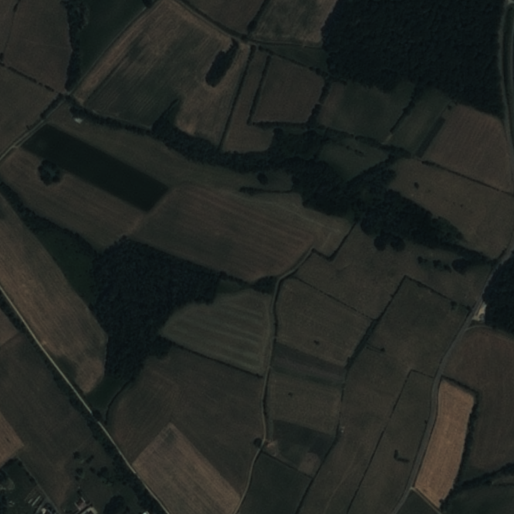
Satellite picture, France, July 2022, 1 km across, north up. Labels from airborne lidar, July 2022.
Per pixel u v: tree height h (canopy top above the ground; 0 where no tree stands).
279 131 17
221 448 0
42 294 0
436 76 24
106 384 0
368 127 0
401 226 20
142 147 0
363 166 0
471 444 13
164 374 0
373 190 18
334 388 0
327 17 0
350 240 0
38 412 0
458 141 0
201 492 0
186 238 0
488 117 0
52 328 0
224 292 0
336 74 21
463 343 0
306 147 6
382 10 25
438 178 0
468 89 24
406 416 0
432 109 0
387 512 0
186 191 0
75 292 0
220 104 0
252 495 0
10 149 0
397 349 0
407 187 0
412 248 0
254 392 0
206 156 17
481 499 0
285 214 0
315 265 0
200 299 19
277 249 0
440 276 0
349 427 0
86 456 0
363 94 0
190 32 0
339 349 0
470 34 25
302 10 0
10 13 0
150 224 0
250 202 0
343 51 27
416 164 0
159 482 0
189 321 0
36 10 0
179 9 0
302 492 0
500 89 19
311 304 0
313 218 0
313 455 0
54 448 0
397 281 0
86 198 0
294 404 0
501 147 0
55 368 6
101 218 0
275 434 0
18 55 0
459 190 0
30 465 0
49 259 0
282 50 0
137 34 0
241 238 0
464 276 0
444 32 27
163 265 25
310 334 0
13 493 0
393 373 0
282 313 0
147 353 12
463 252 18
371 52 24
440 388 0
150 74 0
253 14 0
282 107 0
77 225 0
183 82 0
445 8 26
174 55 0
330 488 0
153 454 0
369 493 0
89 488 0
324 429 0
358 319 0
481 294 0
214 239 0
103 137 0
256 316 0
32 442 0
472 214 0
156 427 0
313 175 14
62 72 0
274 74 0
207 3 0
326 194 20
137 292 33
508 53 6
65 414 0
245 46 0
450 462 0
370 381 0
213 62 0
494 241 0
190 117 0
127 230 0
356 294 0
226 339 0
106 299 17
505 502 0
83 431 0
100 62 0
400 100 0
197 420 0
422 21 29
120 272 28
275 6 0
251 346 0
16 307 0
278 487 0
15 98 0
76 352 0
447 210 0
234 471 0
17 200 13
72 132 0
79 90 0
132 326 19
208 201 0
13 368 0
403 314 0
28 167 0
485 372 0
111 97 0
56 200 0
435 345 0
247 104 0
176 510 0
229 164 15
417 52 28
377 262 0
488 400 0
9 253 0
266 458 0
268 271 0
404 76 21
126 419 0
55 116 0
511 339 0
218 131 0
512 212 0
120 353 26
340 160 0
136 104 0
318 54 0
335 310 0
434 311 0
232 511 0
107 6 0
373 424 0
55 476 0
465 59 25
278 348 0
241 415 0
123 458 16
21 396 0
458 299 0
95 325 0
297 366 0
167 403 0
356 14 26
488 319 15
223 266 0
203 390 0
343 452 0
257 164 13
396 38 25
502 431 0
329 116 0
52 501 0
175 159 0
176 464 0
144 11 0
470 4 28
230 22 0
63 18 0
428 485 0
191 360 0
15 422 0
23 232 0
